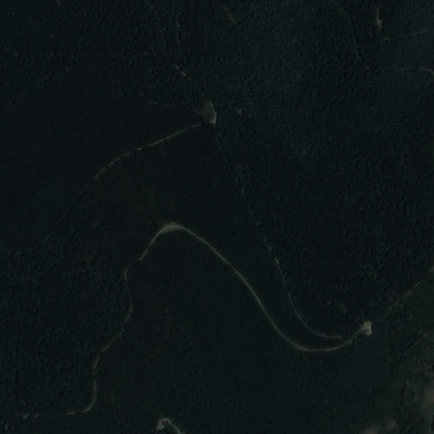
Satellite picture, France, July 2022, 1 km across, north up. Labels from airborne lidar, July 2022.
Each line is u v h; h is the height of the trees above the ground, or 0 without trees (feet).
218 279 23
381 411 0
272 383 27
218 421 29
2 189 37
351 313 73
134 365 60
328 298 62
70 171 51
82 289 94
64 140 44
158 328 60
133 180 28
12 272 50
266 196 54
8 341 91
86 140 56
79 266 103
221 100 70
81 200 69
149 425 51
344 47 76
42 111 43
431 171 97
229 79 73
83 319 86
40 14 38
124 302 83
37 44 62
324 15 63
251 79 54
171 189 35
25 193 41
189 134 47
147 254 28
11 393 96
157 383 46
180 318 19
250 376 31
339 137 54
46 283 69
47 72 77
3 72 54
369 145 66
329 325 68
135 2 72
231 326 20
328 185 55
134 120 44
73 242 81
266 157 50
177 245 22
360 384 63
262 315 18
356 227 62
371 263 74
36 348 81
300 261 61
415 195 69
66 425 52
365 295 90
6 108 37
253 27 49
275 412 32
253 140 56
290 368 26
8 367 96
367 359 55
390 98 46
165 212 37
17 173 38
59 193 56
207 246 34
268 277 19
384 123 49
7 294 65
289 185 48
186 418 21
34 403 84
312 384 23
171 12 71
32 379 98
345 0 83
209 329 28
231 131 78
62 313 86
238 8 83
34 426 74
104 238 73
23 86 64
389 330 25
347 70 102
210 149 31
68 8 46
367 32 104
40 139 56
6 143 51
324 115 75
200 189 40
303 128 45
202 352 19
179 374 29
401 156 73
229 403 34
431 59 34
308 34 35
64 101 44
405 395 66
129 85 96
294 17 44
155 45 99
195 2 81
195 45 113
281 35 40
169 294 36
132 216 32
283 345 27
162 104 88
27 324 68
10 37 50
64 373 85
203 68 95
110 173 34
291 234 56
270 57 18
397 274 81
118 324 64
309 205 53
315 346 25
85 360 87
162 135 53
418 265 63
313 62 52
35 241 42
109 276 60
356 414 44
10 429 75
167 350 40
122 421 51
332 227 65
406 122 46
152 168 35
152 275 34
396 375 54
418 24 53
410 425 50
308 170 43
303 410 31
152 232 59
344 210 73
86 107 41
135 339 48
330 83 76
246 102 29
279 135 36
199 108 81
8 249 48
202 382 26
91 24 83
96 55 74
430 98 69
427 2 65
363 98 65
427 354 81
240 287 21
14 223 46
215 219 27
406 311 33
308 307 51
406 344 47
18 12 52
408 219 73
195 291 26
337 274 66
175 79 88
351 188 78
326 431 37
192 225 25
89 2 63
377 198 99
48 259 87
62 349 75
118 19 81
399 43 47
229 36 52
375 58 85
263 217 56
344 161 54
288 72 35
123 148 32
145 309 36
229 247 24
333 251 52
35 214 39
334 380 56
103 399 45
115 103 50
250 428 31
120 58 98
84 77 65
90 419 45
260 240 18
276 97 47
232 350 26
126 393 54
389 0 101
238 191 31
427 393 0
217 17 89
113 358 31
